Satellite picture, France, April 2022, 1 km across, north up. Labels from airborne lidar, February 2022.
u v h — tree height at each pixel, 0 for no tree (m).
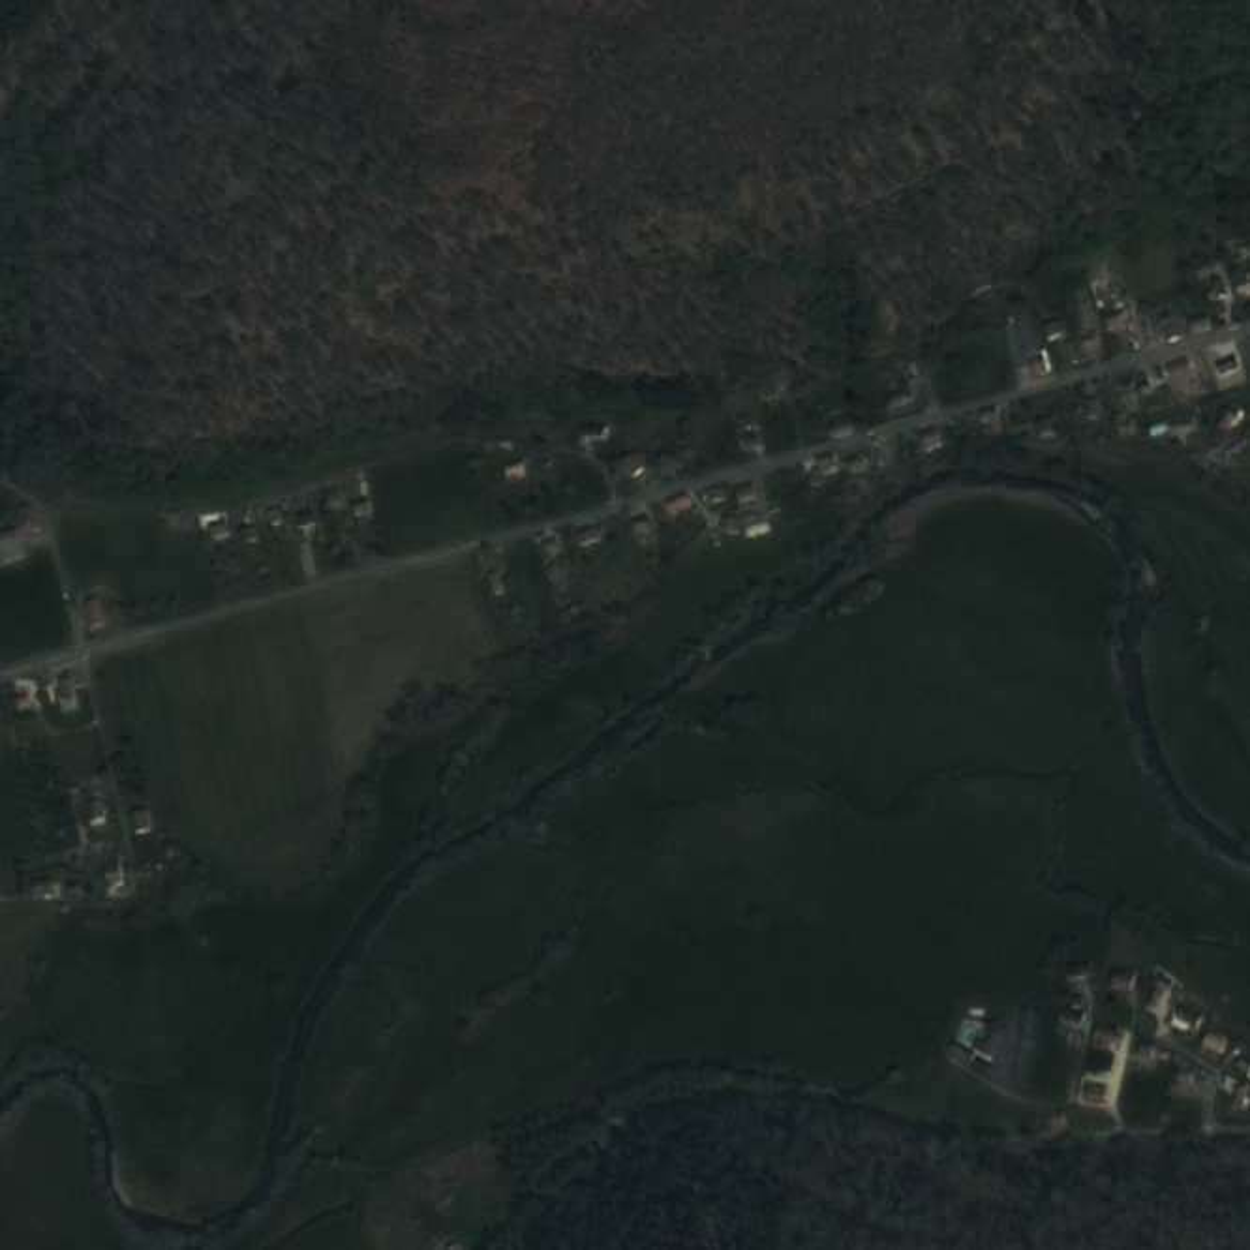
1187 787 0
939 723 0
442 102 9
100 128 23
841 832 0
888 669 0
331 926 0
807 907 0
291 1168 15
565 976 0
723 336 27
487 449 0
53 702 0
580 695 0
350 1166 14
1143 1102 0
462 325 27
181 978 0
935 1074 0
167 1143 0
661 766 0
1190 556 0
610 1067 0
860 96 12
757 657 0
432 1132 0
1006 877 0
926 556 0
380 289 24
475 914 0
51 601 0
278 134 25
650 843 0
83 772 0
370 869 0
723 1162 27
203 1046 0
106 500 24
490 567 0
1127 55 27
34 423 25
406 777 0
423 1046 0
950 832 0
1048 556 0
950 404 0
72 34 25
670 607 0
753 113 11
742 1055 0
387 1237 0
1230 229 15
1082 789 0
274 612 0
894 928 0
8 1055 0
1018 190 27
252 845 0
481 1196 0
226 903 0
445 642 0
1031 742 0
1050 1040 0
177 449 23
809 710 0
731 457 14
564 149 8
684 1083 22
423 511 0
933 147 30
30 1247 0
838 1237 29
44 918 0
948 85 7
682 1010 0
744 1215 28
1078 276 0
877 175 28
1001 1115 0
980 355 0
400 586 0
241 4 29
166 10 30
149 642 0
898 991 0
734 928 0
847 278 22
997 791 0
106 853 6
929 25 8
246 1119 0
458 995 0
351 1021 0
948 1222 17
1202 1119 0
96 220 25
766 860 0
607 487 0
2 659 0
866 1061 0
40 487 26
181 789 0
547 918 0
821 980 0
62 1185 0
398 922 0
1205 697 0
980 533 0
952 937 0
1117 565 0
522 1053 0
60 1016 0
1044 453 0
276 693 0
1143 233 0
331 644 0
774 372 26
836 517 0
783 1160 21
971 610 0
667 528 0
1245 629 0
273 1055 0
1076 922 0
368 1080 0
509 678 14
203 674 0
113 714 0
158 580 0
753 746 0
